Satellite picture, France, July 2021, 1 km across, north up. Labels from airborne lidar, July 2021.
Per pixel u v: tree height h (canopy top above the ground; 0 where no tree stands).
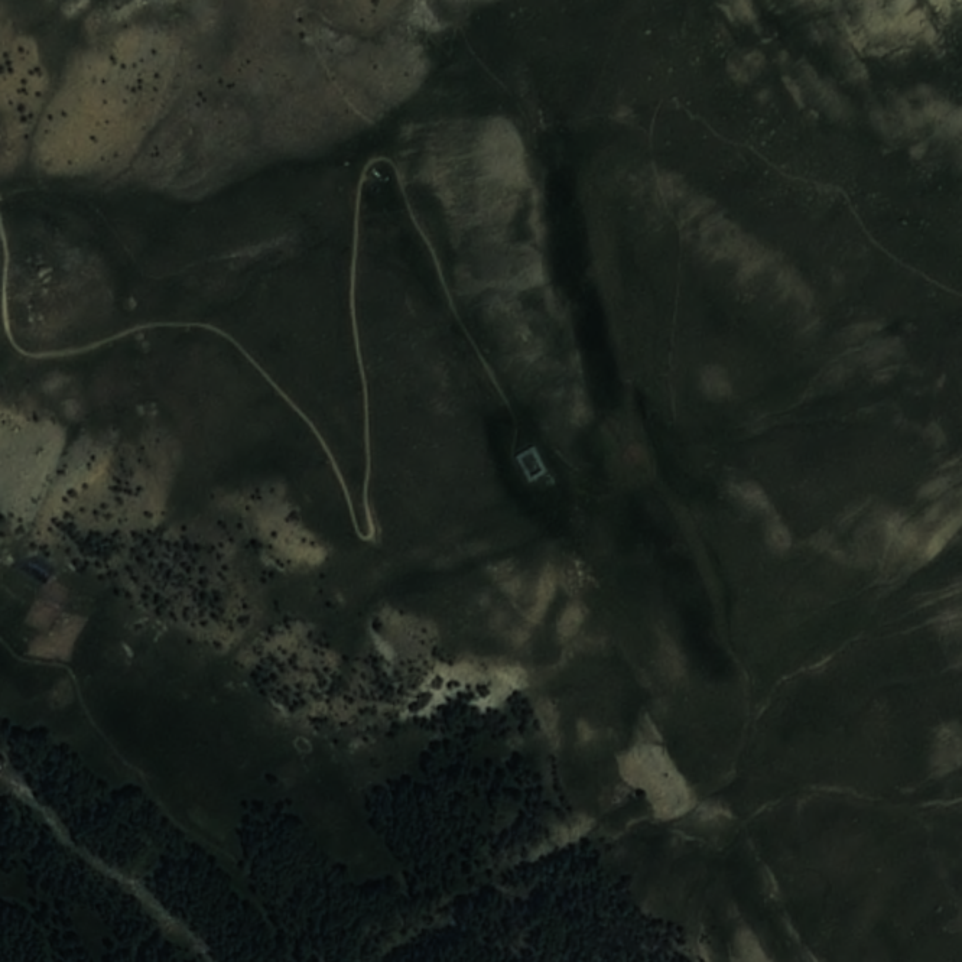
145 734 0
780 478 0
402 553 0
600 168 0
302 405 0
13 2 0
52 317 0
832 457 0
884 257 0
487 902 23
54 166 0
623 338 0
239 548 0
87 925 0
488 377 0
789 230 0
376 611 0
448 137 0
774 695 0
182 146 0
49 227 0
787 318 0
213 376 0
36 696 0
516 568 0
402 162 0
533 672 0
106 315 0
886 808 0
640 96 0
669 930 8
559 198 0
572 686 0
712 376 0
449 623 0
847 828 0
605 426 0
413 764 0
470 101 0
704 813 0
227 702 0
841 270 0
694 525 0
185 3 0
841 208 0
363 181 0
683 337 0
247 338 0
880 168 0
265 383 0
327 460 0
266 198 0
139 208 0
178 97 0
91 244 0
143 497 0
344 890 17
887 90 0
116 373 0
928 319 0
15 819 15
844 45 0
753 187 0
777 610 0
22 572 0
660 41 0
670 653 0
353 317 0
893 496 0
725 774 0
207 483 0
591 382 0
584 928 18
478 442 0
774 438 0
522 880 14
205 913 27
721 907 0
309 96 0
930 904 0
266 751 0
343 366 0
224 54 0
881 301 0
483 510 0
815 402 0
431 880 20
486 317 0
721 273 0
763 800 0
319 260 0
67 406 0
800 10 0
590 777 0
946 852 0
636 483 0
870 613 0
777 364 0
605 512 0
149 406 0
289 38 0
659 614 0
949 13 0
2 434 0
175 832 21
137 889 0
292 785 0
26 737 24
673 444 0
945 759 0
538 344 0
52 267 0
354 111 0
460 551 0
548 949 19
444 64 0
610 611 0
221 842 0
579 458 0
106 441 0
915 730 0
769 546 0
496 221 0
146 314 0
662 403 0
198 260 0
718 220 0
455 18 0
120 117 0
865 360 0
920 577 0
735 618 0
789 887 0
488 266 0
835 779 0
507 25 0
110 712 0
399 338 0
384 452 0
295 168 0
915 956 0
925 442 0
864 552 0
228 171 0
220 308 0
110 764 0
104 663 0
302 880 19
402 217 0
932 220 0
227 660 0
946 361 0
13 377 0
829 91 0
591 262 0
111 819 27
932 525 0
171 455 0
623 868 0
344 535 0
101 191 0
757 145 0
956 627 0
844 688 0
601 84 0
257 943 25
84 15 0
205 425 0
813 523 0
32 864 22
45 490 0
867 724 0
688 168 0
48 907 18
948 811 0
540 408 0
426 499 0
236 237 0
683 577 0
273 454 0
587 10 0
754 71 0
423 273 0
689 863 0
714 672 0
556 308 0
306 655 0
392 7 0
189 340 0
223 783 0
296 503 0
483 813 0
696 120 0
